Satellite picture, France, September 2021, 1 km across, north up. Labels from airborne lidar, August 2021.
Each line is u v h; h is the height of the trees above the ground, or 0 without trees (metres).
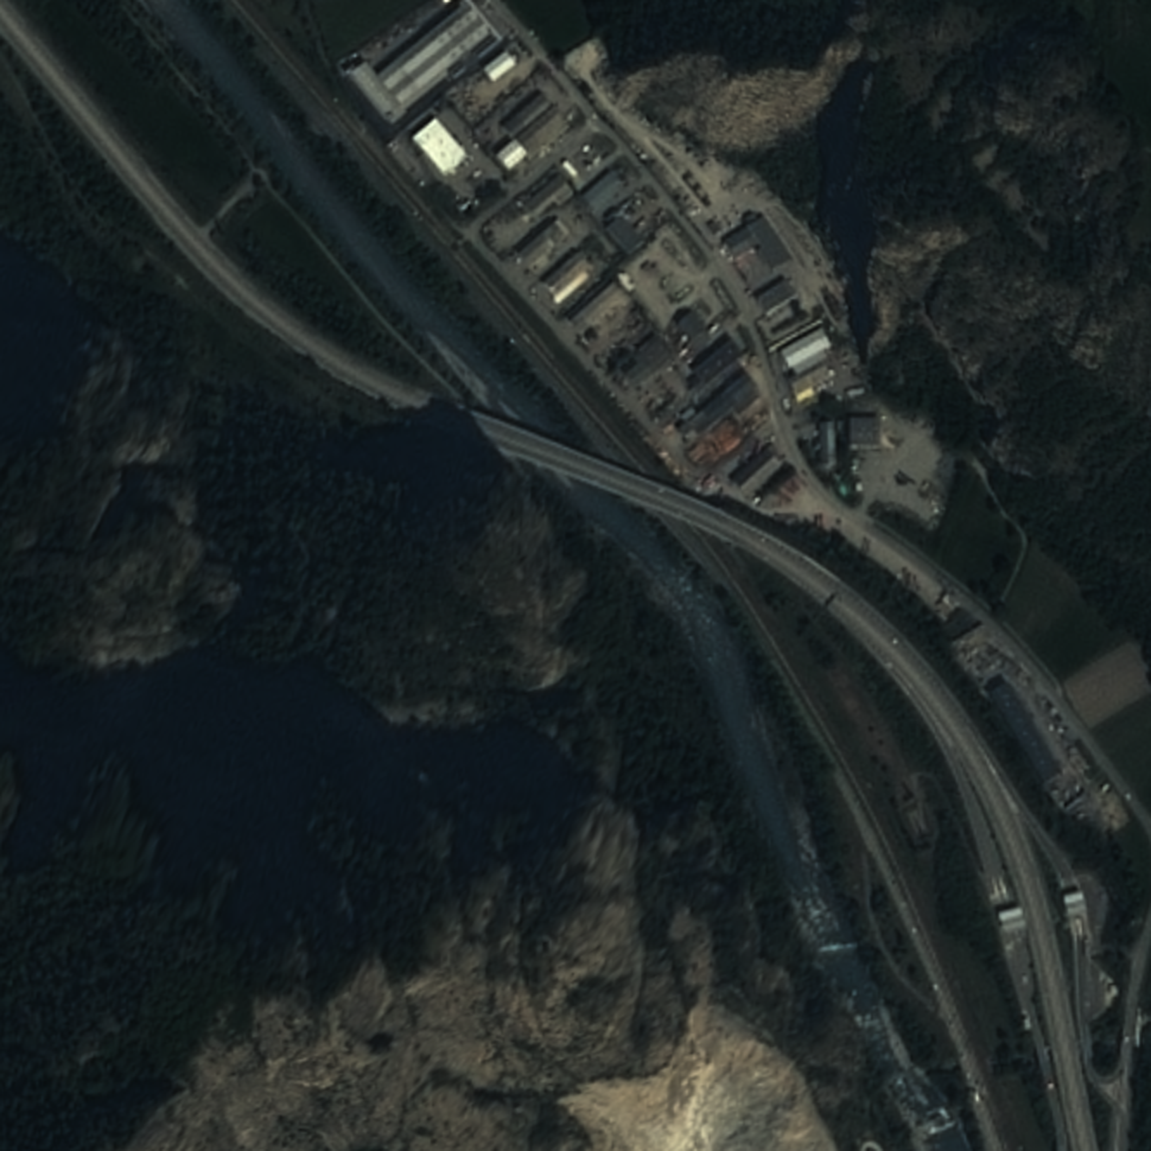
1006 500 11
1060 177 6
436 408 0
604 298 0
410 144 0
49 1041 11
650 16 10
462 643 6
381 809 6
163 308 8
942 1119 0
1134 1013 0
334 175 11
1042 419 9
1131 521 7
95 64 0
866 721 0
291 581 9
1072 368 9
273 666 9
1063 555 15
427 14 0
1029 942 0
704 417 0
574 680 12
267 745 14
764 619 0
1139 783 0
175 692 17
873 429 0
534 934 6
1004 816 0
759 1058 0
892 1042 0
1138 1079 7
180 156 0
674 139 0
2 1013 14
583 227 0
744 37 9
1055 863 0
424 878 11
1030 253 7
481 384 0
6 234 7
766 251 0
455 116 0
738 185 0
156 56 8
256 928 15
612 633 10
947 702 0
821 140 7
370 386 0
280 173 9
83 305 11
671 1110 0
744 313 0
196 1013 12
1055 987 0
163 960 10
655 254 0
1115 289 6
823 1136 0
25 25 0
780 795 0
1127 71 0
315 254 0
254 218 0
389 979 6
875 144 11
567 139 0
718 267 0
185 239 0
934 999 0
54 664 12
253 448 12
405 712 0
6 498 8
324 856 15
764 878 16
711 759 8
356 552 10
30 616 14
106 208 10
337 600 7
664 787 22
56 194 12
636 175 0
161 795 9
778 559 0
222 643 13
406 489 10
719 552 0
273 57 0
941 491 0
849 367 0
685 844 7
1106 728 0
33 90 10
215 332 0
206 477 9
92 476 9
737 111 0
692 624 0
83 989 7
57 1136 22
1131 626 14
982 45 7
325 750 12
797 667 0
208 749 15
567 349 0
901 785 0
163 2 0
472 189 0
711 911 7
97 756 7
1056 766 0
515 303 0
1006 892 0
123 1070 20
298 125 14
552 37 0
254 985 11
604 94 0
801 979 11
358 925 6
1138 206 8
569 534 8
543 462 0
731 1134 0
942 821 12
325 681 8
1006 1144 0
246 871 7
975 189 8
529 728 9
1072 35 8
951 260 7
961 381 12
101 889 12
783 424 0
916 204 6
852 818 0
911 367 7
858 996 0
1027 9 14
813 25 10
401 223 17
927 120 7
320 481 10
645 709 9
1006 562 10
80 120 0
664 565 0
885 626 0
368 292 8
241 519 13
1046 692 0
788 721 9
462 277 0
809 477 0
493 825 8
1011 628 0
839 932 0
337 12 0
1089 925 0
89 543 7
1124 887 6
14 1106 28
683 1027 7
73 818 10
